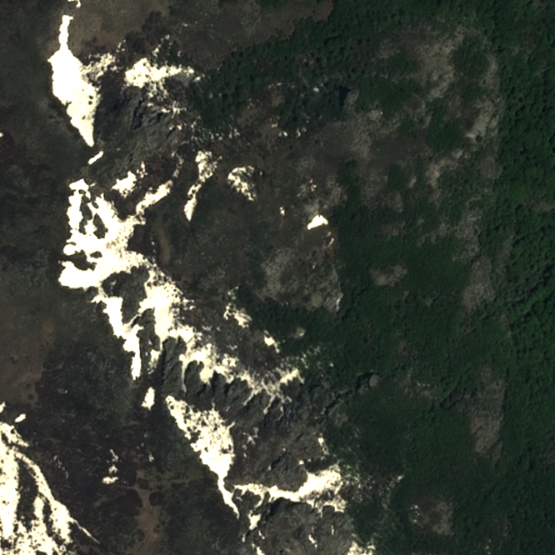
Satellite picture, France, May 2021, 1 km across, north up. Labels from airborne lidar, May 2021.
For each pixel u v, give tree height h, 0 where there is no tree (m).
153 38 6
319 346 9
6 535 0
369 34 7
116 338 0
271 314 10
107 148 0
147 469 0
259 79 23
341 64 9
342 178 5
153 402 0
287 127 7
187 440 0
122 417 0
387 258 12
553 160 31
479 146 8
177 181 7
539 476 15
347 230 7
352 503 12
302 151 0
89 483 0
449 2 24
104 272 0
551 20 11
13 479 0
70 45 0
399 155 0
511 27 9
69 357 0
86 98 0
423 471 12
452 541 11
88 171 0
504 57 17
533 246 26
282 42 9
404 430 14
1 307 0
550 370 20
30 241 0
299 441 10
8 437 0
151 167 9
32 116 0
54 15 0
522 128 27
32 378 0
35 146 0
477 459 10
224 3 8
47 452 0
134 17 0
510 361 16
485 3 15
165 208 0
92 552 0
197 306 6
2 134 0
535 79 11
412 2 15
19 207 0
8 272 0
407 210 7
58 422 0
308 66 16
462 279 9
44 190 0
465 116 0
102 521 0
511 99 21
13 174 0
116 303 0
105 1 0
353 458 16
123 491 0
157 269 6
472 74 6
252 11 0
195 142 9
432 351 16
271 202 0
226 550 0
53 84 0
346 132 0
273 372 11
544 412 17
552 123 26
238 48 6
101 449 0
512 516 6
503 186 30
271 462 8
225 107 7
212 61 0
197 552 0
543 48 13
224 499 0
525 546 14
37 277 0
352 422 13
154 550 0
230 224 0
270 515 9
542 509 11
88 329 0
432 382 8
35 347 0
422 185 12
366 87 7
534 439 19
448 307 14
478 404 6
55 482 0
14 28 0
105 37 0
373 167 0
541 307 28
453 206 9
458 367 20
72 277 0
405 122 10
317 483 0
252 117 0
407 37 0
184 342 9
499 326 15
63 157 0
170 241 0
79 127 0
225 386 16
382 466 16
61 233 0
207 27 0
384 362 12
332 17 13
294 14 0
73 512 0
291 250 0
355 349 14
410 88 6
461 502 21
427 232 7
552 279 28
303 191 0
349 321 17
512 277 11
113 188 0
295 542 0
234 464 0
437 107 10
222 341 8
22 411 0
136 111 7
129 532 0
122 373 0
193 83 7
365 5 14
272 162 0
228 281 0
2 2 0
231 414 8
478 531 15
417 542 15
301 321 14
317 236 0
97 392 0
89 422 0
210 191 0
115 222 0
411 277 13
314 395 8
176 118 6
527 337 31
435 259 11
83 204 0
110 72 0
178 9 0
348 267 8
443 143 11
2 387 0
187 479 0
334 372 18
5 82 0
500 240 14
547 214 14
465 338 15
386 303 10
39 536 0
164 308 0
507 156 27
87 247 0
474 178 10
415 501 6
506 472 17
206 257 0
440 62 0
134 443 0
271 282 0
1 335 0
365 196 7
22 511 0
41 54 0
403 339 8
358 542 13
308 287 0
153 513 0
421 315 18
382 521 12
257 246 0
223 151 0
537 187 29
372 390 7
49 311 0
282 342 11
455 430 11
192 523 0
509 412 24
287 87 12
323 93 6
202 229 0
